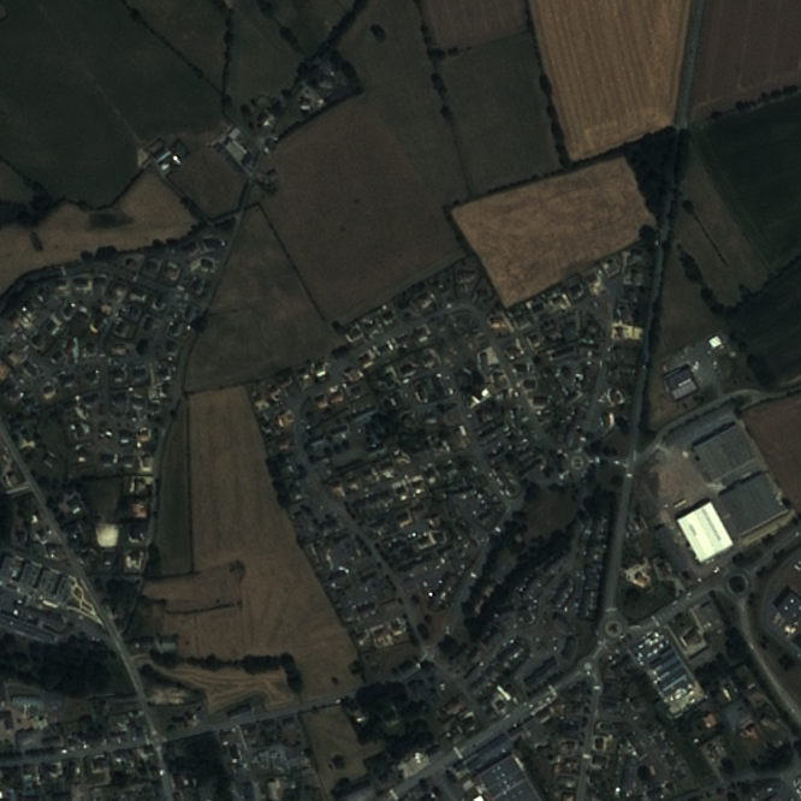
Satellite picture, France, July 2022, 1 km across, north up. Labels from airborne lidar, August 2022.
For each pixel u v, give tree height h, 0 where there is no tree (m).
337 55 11
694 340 0
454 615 0
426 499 0
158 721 0
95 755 0
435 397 6
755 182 0
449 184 0
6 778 7
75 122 0
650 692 0
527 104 0
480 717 0
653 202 18
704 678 10
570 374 12
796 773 0
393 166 0
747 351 7
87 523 10
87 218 0
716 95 0
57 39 0
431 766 0
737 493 0
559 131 17
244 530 0
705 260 0
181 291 0
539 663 0
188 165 0
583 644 0
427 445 10
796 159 0
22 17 0
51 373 0
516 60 0
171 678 0
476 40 0
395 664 0
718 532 0
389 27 0
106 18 0
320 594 0
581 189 0
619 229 0
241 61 0
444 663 0
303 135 0
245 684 0
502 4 0
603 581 6
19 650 0
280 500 10
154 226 0
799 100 0
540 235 0
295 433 0
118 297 0
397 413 7
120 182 0
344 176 0
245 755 0
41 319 0
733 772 15
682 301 0
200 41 0
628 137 0
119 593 21
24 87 0
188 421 0
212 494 0
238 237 0
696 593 0
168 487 0
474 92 0
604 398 0
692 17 0
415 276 0
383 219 0
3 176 0
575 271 0
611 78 0
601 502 16
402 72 0
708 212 0
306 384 0
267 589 0
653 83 0
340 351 10
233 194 0
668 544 0
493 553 10
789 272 7
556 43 0
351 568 0
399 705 21
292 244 0
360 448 0
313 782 0
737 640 15
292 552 0
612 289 0
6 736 0
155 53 0
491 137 0
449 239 0
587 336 8
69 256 0
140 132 0
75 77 0
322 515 0
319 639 0
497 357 0
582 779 0
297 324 0
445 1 0
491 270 0
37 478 12
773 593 0
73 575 0
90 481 7
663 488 0
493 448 0
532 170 0
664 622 0
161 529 0
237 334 0
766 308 0
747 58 0
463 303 0
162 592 0
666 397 0
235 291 0
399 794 0
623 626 0
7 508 15
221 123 0
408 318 8
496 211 0
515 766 0
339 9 0
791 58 0
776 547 0
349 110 0
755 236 0
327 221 0
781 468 0
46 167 0
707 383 0
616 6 0
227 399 0
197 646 0
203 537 0
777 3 0
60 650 16
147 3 0
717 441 0
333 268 0
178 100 0
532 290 0
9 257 0
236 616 0
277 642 0
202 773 7
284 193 0
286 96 15
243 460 0
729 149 0
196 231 13
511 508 0
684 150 18
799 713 0
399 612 0
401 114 0
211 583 0
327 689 0
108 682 27
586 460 0
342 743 0
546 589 0
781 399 0
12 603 0
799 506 0
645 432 8
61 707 0
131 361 0
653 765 0
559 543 19
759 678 9
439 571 0
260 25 0
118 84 0
